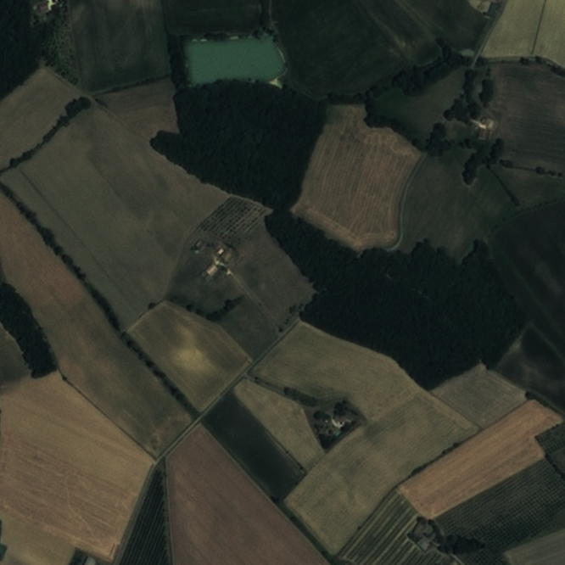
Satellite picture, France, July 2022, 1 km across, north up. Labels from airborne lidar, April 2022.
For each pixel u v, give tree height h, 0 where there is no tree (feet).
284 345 0
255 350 0
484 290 62
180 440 0
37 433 0
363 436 0
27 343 53
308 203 0
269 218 47
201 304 0
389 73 0
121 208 0
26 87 0
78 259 0
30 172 0
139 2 0
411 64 0
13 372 0
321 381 0
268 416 0
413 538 38
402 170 0
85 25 0
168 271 0
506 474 0
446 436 0
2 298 54
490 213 0
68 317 0
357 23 0
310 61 0
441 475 0
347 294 60
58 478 0
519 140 0
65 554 0
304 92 0
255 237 0
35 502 0
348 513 0
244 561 0
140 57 0
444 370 54
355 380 0
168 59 0
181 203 0
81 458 0
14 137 0
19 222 0
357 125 0
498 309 64
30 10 53
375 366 0
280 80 0
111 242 0
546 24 0
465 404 0
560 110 0
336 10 0
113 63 0
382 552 0
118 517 0
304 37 0
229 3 0
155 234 0
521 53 0
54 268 0
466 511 0
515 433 0
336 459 0
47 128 0
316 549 0
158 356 0
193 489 0
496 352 52
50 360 38
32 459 0
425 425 0
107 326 0
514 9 0
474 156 42
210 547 0
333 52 0
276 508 0
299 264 51
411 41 0
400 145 0
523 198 0
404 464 0
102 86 0
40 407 0
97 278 0
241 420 0
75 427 0
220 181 51
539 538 0
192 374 0
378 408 0
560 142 0
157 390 0
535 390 0
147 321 0
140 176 0
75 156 0
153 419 0
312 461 0
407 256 28
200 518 0
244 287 0
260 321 0
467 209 0
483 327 49
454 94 0
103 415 0
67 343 0
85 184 0
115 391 0
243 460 0
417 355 55
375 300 50
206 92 80
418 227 0
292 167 63
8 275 0
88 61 0
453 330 59
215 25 0
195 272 0
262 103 73
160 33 0
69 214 0
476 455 0
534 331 0
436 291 58
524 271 0
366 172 0
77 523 0
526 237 0
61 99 0
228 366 0
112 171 0
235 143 60
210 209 0
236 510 0
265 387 0
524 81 0
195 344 0
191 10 0
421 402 0
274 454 0
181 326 0
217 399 0
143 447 0
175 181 0
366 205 0
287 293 0
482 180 0
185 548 0
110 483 0
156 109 0
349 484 0
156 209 0
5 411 0
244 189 45
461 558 0
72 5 0
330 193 0
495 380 0
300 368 0
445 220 0
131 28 0
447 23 0
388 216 0
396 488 0
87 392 0
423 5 0
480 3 0
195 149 47
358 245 0
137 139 0
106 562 0
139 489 0
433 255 38
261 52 0
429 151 71
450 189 0
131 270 0
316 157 0
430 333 65
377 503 0
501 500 0
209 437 0
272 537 0
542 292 0
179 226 0
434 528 26
